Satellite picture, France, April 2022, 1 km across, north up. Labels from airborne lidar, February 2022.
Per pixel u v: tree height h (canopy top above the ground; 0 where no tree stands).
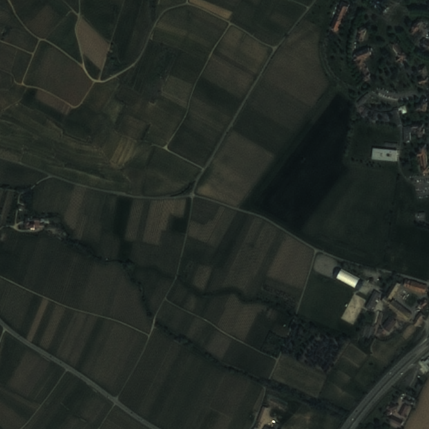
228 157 0
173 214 0
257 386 0
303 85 0
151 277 0
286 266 0
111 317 0
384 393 0
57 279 0
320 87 0
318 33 0
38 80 0
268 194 0
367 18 19
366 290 0
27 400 0
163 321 0
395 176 0
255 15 0
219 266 0
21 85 0
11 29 0
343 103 0
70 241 10
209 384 0
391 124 11
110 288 0
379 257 0
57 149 0
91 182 0
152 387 0
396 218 0
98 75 0
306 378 0
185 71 0
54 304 0
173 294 0
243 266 0
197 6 0
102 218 0
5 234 0
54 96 0
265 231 0
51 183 0
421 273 0
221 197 0
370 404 0
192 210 0
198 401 0
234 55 0
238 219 0
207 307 0
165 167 0
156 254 0
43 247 0
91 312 0
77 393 0
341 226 0
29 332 0
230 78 0
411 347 0
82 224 0
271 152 0
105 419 0
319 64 0
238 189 0
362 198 0
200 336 0
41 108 0
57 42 0
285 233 0
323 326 0
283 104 0
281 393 14
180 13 0
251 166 0
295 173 0
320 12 0
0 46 0
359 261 0
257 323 0
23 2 0
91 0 0
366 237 0
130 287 0
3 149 0
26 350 0
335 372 0
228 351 0
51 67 0
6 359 0
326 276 0
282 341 6
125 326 0
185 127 0
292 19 0
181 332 0
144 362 0
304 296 0
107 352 0
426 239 0
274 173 0
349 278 0
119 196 0
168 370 0
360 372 0
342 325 0
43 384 0
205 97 0
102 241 0
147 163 0
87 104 0
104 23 0
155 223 0
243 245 0
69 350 0
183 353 0
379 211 0
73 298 0
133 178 0
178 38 0
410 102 8
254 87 0
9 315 0
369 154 0
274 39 0
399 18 0
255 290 0
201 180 0
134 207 0
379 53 0
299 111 0
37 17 0
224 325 0
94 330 0
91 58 0
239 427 0
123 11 0
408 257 0
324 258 0
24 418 0
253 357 0
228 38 0
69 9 0
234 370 8
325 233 0
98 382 0
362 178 0
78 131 0
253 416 0
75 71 0
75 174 0
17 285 0
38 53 0
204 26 0
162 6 0
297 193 0
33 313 0
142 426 0
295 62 0
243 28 0
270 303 8
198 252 0
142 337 0
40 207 0
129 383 0
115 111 0
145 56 0
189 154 0
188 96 0
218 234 0
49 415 0
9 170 0
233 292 0
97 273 0
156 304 0
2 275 0
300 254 0
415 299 0
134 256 0
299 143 0
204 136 0
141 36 0
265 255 0
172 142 0
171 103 0
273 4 0
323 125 0
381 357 0
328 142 0
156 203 0
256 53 0
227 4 0
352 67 15
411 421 0
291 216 0
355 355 0
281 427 0
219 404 0
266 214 0
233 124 0
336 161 0
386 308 13
